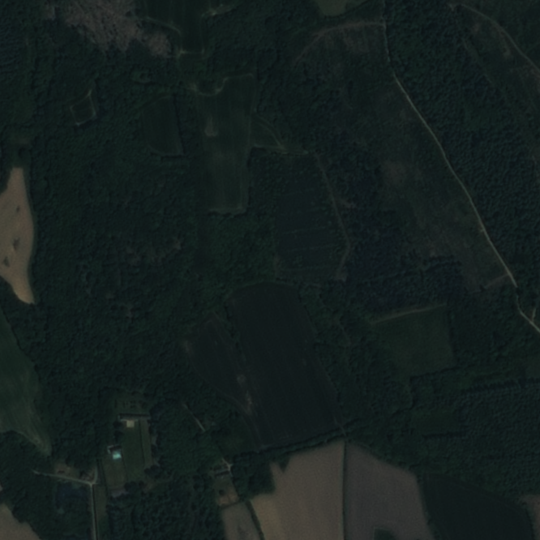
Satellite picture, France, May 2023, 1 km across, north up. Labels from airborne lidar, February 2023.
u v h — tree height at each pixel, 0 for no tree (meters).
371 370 11
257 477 20
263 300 0
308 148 13
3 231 0
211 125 0
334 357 11
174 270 11
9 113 17
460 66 12
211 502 17
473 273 0
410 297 18
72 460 15
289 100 16
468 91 16
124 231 12
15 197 0
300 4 14
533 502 12
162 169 15
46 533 13
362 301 22
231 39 6
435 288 18
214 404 23
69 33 21
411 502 0
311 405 0
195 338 0
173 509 12
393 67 19
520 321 8
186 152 14
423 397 17
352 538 0
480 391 20
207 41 0
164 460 19
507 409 23
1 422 0
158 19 0
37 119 19
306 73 13
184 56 0
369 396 12
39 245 8
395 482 0
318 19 18
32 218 0
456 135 26
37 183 21
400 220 14
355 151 10
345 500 0
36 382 0
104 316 16
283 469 0
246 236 12
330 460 0
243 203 0
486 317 7
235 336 14
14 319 17
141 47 12
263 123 0
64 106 12
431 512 0
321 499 0
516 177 36
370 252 27
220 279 14
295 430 0
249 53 15
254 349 0
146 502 9
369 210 12
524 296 9
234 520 0
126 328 11
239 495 8
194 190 22
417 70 21
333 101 15
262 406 0
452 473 17
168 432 16
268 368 0
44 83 6
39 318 10
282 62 20
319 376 0
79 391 19
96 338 20
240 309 0
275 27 10
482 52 12
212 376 0
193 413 17
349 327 7
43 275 14
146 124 0
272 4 14
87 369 21
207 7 0
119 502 15
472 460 17
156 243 12
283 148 0
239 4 8
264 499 0
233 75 0
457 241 0
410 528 0
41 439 0
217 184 0
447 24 27
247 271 12
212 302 14
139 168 14
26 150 10
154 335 24
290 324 0
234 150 0
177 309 20
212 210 0
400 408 13
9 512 0
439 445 20
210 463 14
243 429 0
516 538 0
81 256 21
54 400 8
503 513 0
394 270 18
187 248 13
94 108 0
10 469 15
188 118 21
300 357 0
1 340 0
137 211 15
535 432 18
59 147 12
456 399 21
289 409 0
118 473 0
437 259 11
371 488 0
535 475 19
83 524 9
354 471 0
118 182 16
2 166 17
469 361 8
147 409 6
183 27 0
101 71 18
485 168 26
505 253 31
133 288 7
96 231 18
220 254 15
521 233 19
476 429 23
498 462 20
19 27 20
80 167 13
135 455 0
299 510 0
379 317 6
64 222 13
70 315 15
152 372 21
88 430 20
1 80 15
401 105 0
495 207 24
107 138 17
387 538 0
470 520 0
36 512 15
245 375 0
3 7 19
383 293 22
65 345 14
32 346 21
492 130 30
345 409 14
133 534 15
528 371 0
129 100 19
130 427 0
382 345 15
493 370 15
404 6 25
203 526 18
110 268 15
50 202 21
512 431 23
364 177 8
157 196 8
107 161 21
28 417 0
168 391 17
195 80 0
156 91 15
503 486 20
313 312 15
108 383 20
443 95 29
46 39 6
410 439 13
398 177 0
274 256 16
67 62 17
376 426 14
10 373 0
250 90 0
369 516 0
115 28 14
